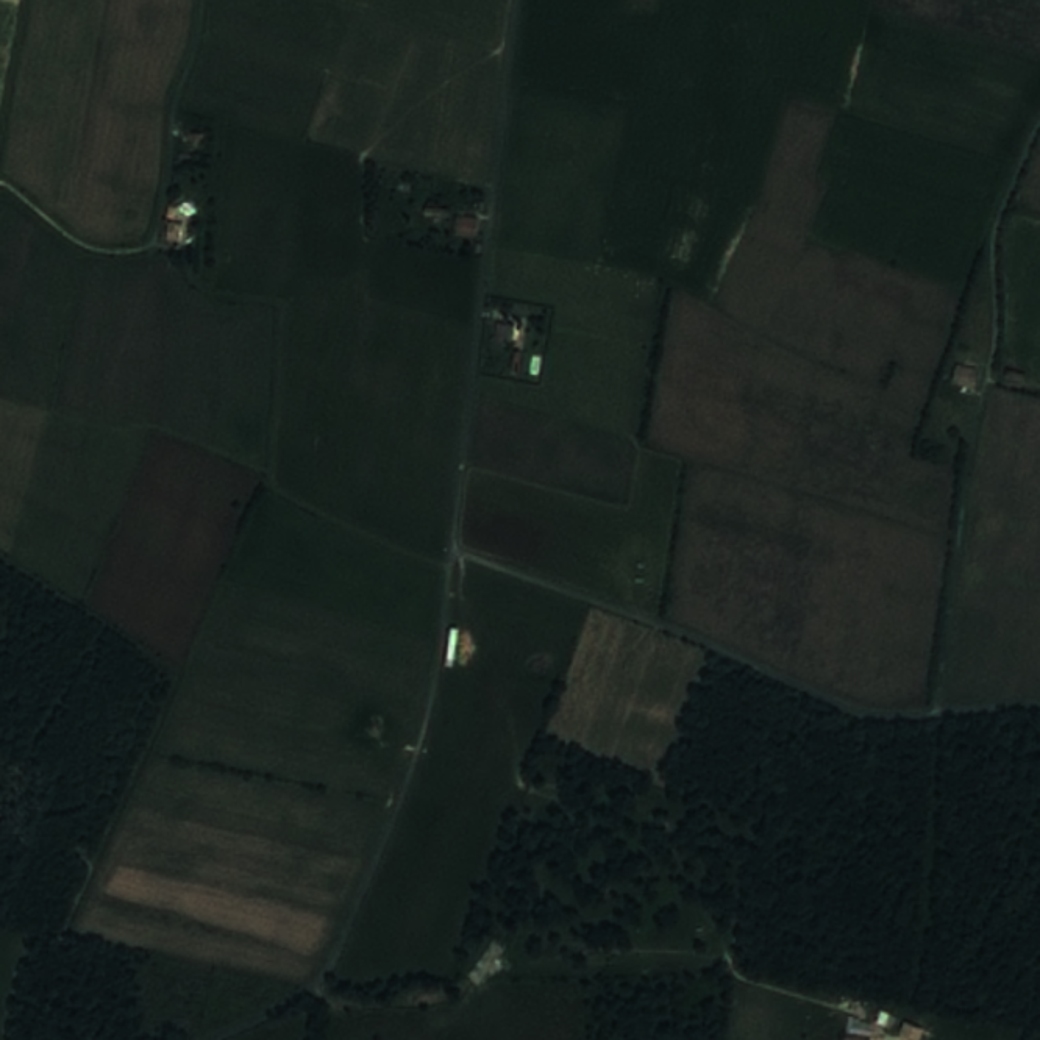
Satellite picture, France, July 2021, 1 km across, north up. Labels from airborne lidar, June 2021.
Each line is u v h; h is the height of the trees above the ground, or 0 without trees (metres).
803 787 15
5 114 0
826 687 0
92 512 0
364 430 0
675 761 16
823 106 0
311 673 0
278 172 0
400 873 0
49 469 0
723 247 0
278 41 0
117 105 0
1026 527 0
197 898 0
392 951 0
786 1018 0
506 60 0
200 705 0
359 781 0
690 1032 16
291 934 0
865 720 6
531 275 0
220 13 0
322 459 0
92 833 11
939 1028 0
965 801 15
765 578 0
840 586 0
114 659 14
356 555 0
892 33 0
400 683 0
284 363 0
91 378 0
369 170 7
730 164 0
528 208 0
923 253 0
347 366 0
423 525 0
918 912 10
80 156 0
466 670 0
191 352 0
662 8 0
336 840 0
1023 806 18
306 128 0
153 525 0
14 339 0
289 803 0
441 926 0
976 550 0
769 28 0
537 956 14
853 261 0
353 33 0
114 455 0
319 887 0
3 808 9
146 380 0
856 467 0
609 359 0
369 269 0
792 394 0
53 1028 20
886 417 0
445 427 0
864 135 0
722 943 0
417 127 0
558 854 16
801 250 0
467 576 0
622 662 0
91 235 0
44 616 13
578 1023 0
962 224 0
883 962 13
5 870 15
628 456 0
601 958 0
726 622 0
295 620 0
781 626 0
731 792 12
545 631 0
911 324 0
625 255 0
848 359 0
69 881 10
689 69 0
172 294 0
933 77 0
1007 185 0
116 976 18
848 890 16
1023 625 0
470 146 0
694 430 0
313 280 0
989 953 14
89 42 0
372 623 0
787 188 0
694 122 0
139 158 0
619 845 20
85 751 14
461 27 0
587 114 0
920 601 0
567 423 0
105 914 0
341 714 0
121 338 0
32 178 0
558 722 0
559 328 0
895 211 0
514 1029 0
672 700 0
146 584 0
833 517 0
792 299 0
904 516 0
